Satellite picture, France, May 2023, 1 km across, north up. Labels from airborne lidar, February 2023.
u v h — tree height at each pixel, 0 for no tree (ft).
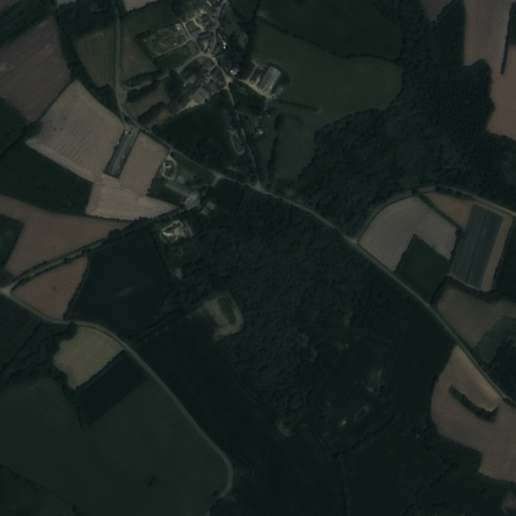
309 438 0
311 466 0
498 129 0
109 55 0
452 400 0
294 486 0
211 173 0
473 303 0
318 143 29
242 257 37
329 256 31
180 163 0
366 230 0
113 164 0
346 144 31
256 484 0
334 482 0
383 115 36
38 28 0
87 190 0
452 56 37
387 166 21
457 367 0
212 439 0
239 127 33
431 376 0
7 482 0
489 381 0
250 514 0
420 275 0
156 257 0
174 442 0
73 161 0
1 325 0
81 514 32
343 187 34
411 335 0
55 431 0
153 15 0
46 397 0
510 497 0
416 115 39
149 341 0
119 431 0
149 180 0
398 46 0
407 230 0
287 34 42
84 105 0
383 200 38
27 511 0
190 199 0
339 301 22
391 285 31
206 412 0
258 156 41
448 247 0
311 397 56
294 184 24
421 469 0
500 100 0
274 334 20
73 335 37
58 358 0
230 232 42
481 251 0
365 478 0
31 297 0
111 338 0
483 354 0
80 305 0
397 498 0
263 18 35
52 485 0
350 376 0
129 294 0
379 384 0
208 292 32
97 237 0
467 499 0
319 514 0
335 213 37
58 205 0
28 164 0
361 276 39
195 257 0
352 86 0
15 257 0
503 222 0
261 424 0
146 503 0
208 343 0
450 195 32
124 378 0
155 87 24
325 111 0
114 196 0
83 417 30
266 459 0
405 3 22
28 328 0
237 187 47
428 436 28
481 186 37
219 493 20
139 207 0
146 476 0
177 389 0
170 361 0
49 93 0
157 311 0
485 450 0
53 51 0
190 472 0
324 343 42
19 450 0
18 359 19
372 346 0
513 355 23
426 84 42
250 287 28
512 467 0
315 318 19
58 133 0
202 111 0
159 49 0
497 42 0
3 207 0
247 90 20
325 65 0
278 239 35
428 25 41
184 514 0
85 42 0
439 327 0
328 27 0
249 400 0
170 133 0
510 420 0
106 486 0
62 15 46
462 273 0
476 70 30
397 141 25
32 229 0
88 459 0
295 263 25
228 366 0
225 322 0
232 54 36
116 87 0
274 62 0
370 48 0
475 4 0
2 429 0
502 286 0
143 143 0
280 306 26
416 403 0
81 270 0
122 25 0
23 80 0
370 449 0
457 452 24
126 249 0
